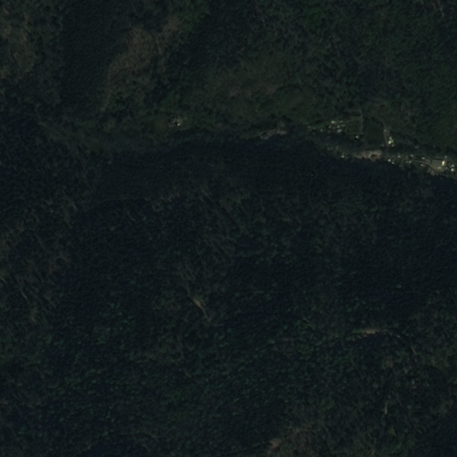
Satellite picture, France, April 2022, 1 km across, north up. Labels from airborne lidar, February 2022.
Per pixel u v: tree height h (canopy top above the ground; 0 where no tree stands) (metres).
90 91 17
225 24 15
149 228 29
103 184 28
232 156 24
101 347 27
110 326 26
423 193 25
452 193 33
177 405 18
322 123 16
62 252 17
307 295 26
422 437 30
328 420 27
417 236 33
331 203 24
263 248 28
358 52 16
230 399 26
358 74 25
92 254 29
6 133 9
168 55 22
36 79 21
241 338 23
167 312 22
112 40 17
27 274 33
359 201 25
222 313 28
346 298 24
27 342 25
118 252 25
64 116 20
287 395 20
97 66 16
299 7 29
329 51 25
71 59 25
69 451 28
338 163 29
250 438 24
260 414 22
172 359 28
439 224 28
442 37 17
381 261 28
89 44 25
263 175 25
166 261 26
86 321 24
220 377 27
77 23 20
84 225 27
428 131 25
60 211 29
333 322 33
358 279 30
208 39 20
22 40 14
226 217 28
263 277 26
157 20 25
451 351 23
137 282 17
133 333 22
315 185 24
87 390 15
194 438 27
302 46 30
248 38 14
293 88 12
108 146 25
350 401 28
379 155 0
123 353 26
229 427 29
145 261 26
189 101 18
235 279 29
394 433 30
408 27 20
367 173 26
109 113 7
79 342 20
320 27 14
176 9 13
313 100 22
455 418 20
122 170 26
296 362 25
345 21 18
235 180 22
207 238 30
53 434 30
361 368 21
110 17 17
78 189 32
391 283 27
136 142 27
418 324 24
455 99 19
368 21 19
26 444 39
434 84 17
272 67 17
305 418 10
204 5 17
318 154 34
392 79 23
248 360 25
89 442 18
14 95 17
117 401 22
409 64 17
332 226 28
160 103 27
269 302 26
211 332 19
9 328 28
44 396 30
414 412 28
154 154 26
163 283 20
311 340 24
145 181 23
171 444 32
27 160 34
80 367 22
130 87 15
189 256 28
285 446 18
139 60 10
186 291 30
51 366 19
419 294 26
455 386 25
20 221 33
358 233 26
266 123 0
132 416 20
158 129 0
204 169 21
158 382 19
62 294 31
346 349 29
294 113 26
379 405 29
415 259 27
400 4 24
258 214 14
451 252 30
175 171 26
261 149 26
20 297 28
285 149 29
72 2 18
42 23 33
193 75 13
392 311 22
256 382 23
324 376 21
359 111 0
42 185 31
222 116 28
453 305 33
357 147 21
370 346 24
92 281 29
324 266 32
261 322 25
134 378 23
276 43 23
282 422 19
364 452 27
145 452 27
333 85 22
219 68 11
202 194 25
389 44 23
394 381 30
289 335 27
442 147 14
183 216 29
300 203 30
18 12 15
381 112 13
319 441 26
